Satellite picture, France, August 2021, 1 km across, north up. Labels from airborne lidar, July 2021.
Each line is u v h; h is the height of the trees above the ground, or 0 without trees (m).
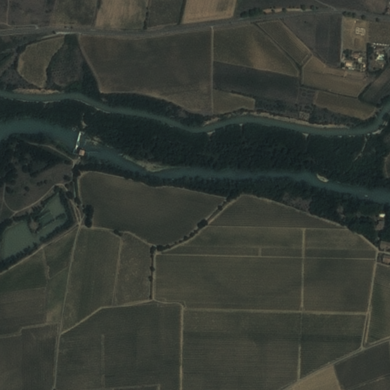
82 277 0
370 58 6
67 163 9
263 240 0
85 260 0
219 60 0
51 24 0
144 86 0
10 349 0
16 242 0
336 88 0
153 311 0
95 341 0
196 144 18
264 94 0
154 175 0
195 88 0
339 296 0
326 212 14
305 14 0
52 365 0
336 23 0
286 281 0
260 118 0
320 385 0
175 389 0
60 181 0
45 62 0
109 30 0
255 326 0
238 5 0
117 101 8
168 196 0
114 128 15
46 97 0
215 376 0
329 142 6
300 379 0
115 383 0
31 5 0
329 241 0
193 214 0
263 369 0
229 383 0
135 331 0
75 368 0
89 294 0
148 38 0
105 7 0
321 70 0
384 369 0
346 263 0
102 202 0
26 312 0
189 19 0
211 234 0
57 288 0
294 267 0
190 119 7
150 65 0
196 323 0
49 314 0
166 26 0
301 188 12
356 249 0
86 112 10
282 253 0
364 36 0
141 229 0
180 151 17
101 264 0
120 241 0
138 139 17
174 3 0
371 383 0
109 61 0
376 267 0
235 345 0
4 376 0
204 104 0
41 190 0
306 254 0
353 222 14
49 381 0
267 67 0
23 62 0
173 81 0
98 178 0
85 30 0
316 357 0
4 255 0
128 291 0
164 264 0
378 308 0
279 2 0
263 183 24
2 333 0
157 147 16
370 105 0
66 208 11
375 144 10
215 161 17
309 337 0
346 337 0
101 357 0
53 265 0
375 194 0
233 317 0
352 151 7
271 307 0
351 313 0
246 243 0
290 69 0
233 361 0
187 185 7
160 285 0
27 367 0
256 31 0
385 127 10
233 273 0
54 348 0
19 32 0
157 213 0
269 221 0
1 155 14
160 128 13
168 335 0
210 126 0
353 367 0
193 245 0
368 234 31
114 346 0
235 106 0
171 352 0
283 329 0
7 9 0
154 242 0
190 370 0
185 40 0
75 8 0
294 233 0
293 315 0
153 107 8
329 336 0
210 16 0
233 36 0
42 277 0
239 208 0
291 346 0
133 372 0
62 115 18
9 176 13
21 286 0
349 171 12
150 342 0
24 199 0
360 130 0
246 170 8
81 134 0
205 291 0
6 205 0
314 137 7
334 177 17
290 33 0
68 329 0
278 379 0
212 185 16
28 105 8
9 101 9
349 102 0
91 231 0
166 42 0
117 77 0
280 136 15
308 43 0
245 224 0
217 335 0
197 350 0
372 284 0
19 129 0
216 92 0
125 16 0
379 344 0
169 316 0
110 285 0
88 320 0
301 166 18
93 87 6
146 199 0
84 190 0
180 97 0
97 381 0
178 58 0
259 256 0
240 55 0
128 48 0
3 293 0
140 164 0
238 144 18
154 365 0
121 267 0
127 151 20
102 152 0
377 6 0
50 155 14
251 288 0
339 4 0
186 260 0
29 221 8
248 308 0
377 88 0
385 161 17
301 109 7
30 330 0
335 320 0
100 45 0
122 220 0
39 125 0
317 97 0
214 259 0
